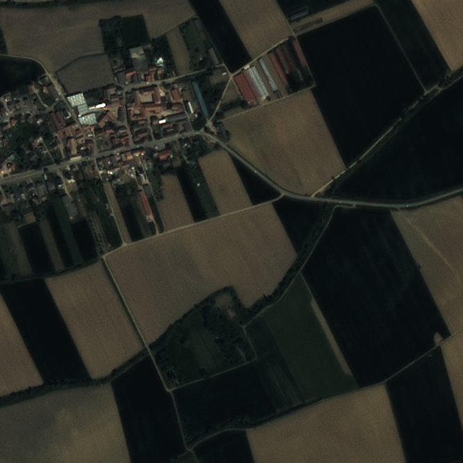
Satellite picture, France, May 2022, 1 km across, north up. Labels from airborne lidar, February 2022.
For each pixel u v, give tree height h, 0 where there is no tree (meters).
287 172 0
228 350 19
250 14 0
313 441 0
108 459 0
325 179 0
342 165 0
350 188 0
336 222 0
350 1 0
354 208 0
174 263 0
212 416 0
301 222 0
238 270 0
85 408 0
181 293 0
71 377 0
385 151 0
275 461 0
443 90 0
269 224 0
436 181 0
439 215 0
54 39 0
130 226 0
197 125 0
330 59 0
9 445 0
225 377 0
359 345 0
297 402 0
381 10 0
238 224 0
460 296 0
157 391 0
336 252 0
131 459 0
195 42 0
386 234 0
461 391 0
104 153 0
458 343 0
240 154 0
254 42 0
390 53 0
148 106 0
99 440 0
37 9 0
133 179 0
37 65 0
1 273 0
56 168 0
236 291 0
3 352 0
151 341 0
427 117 0
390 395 0
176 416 0
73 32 0
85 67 0
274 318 0
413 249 0
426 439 0
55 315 0
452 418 0
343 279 0
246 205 0
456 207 0
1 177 0
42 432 0
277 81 0
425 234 0
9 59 0
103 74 0
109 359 0
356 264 0
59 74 0
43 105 0
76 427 0
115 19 6
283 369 0
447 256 0
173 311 0
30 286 0
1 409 0
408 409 0
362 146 0
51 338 0
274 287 0
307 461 0
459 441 0
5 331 0
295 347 0
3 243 0
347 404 0
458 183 0
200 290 0
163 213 0
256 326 0
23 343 0
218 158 0
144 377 0
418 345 0
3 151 0
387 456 0
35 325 0
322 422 0
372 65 0
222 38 0
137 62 0
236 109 0
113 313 0
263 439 0
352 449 0
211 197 0
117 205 0
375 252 0
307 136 0
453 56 0
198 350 0
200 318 0
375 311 0
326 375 0
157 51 8
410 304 0
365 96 0
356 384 0
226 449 0
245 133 0
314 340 0
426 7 0
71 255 0
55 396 0
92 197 0
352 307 0
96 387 0
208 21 0
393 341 0
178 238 0
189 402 0
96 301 0
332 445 0
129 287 0
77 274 0
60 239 0
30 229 0
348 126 0
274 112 0
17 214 11
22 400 0
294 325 0
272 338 0
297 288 0
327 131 0
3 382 0
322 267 0
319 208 0
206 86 0
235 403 0
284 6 0
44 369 0
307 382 0
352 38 0
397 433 0
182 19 0
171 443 0
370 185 0
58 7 0
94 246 0
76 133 0
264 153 0
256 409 0
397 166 0
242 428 0
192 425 0
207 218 0
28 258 0
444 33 0
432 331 0
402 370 0
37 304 0
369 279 0
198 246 0
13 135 0
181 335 0
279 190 0
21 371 0
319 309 0
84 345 0
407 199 0
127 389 0
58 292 0
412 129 0
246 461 0
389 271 0
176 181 0
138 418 0
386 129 0
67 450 0
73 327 0
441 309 0
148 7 0
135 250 0
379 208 0
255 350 0
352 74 0
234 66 0
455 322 0
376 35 0
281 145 0
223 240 0
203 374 19
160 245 0
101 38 0
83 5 0
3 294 0
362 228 0
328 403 0
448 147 0
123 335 0
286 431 0
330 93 0
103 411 0
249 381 0
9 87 0
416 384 0
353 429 0
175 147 0
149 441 0
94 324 0
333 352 0
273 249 0
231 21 0
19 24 0
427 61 0
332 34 0
